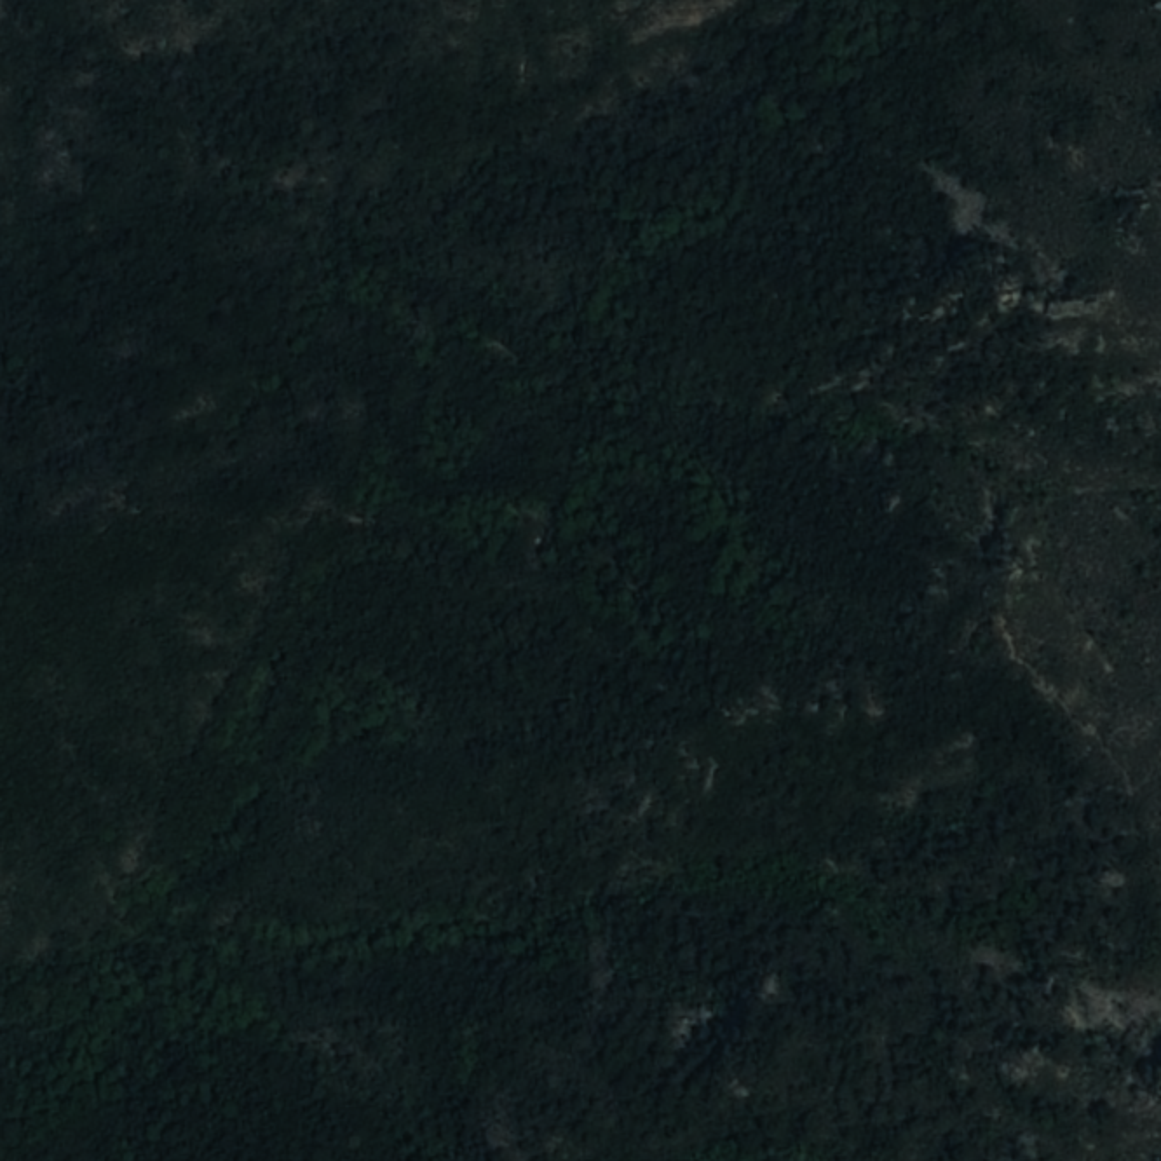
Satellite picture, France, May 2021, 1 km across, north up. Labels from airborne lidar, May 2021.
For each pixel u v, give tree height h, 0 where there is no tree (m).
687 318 15
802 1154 12
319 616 7
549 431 8
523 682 11
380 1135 15
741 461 13
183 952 13
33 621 11
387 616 7
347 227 20
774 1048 7
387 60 11
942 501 8
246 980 9
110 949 8
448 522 16
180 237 9
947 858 8
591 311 24
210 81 10
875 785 8
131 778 8
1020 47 9
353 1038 6
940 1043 12
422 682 12
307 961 19
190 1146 16
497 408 9
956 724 6
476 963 10
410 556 10
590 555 21
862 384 9
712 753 6
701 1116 7
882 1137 9
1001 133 6
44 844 8
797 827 12
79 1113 18
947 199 13
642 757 15
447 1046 9
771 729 8
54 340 7
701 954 6
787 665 6
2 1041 7
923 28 12
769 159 11
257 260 8
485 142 8
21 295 9
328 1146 11
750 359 7
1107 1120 17
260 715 8
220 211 12
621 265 13
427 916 24
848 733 8
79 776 11
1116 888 8
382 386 12
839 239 11
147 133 7
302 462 8
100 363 7
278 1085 9
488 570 8
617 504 13
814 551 8
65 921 5
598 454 17
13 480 6
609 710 15
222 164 9
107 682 8
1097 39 6
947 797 8
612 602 19
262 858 6
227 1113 15
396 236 8
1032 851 8
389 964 9
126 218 7
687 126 6
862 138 14
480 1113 12
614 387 13
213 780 18
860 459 8
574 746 11
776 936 8
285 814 6
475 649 16
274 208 14
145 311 9
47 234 7
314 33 13
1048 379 11
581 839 10
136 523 10
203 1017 12
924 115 8
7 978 12
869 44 12
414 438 8
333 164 6
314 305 7
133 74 9
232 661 7
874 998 12
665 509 15
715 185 17
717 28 11
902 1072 19
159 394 6
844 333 23
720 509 22
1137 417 7
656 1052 14
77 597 10
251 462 6
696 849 6
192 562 10
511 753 7
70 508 7
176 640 7
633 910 10
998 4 8
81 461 7
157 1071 10
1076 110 7
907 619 16
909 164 9
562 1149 7
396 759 9
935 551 11
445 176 10
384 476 13
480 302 11
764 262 10
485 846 6
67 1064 22
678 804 16
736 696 10
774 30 8
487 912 9
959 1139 15
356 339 7
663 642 14
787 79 10
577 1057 6
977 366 11
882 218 9
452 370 7
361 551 16
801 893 10
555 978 15
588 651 10
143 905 10
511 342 9
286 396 9
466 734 6
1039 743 6
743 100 9
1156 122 6
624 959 7
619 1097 6
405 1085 6
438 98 11
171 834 12
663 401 9
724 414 12
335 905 6
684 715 13
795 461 10
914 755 6
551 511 6
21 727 10
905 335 13
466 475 11
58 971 19
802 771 7
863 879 6
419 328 20
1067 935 16
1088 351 10
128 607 6
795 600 8
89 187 7
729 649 8
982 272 8
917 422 12
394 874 7
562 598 6
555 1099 7
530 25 15
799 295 8
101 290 11
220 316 15
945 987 9
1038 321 10
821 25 7
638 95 7
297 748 14
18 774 9
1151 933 8
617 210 15
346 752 8
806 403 15
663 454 11
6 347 12
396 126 6
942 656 8
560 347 9
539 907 21
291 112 13
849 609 7
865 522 10
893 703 9
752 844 9
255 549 11
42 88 6
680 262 15
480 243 6
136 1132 9
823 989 8
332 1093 10
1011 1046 9
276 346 18
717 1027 16
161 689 6
